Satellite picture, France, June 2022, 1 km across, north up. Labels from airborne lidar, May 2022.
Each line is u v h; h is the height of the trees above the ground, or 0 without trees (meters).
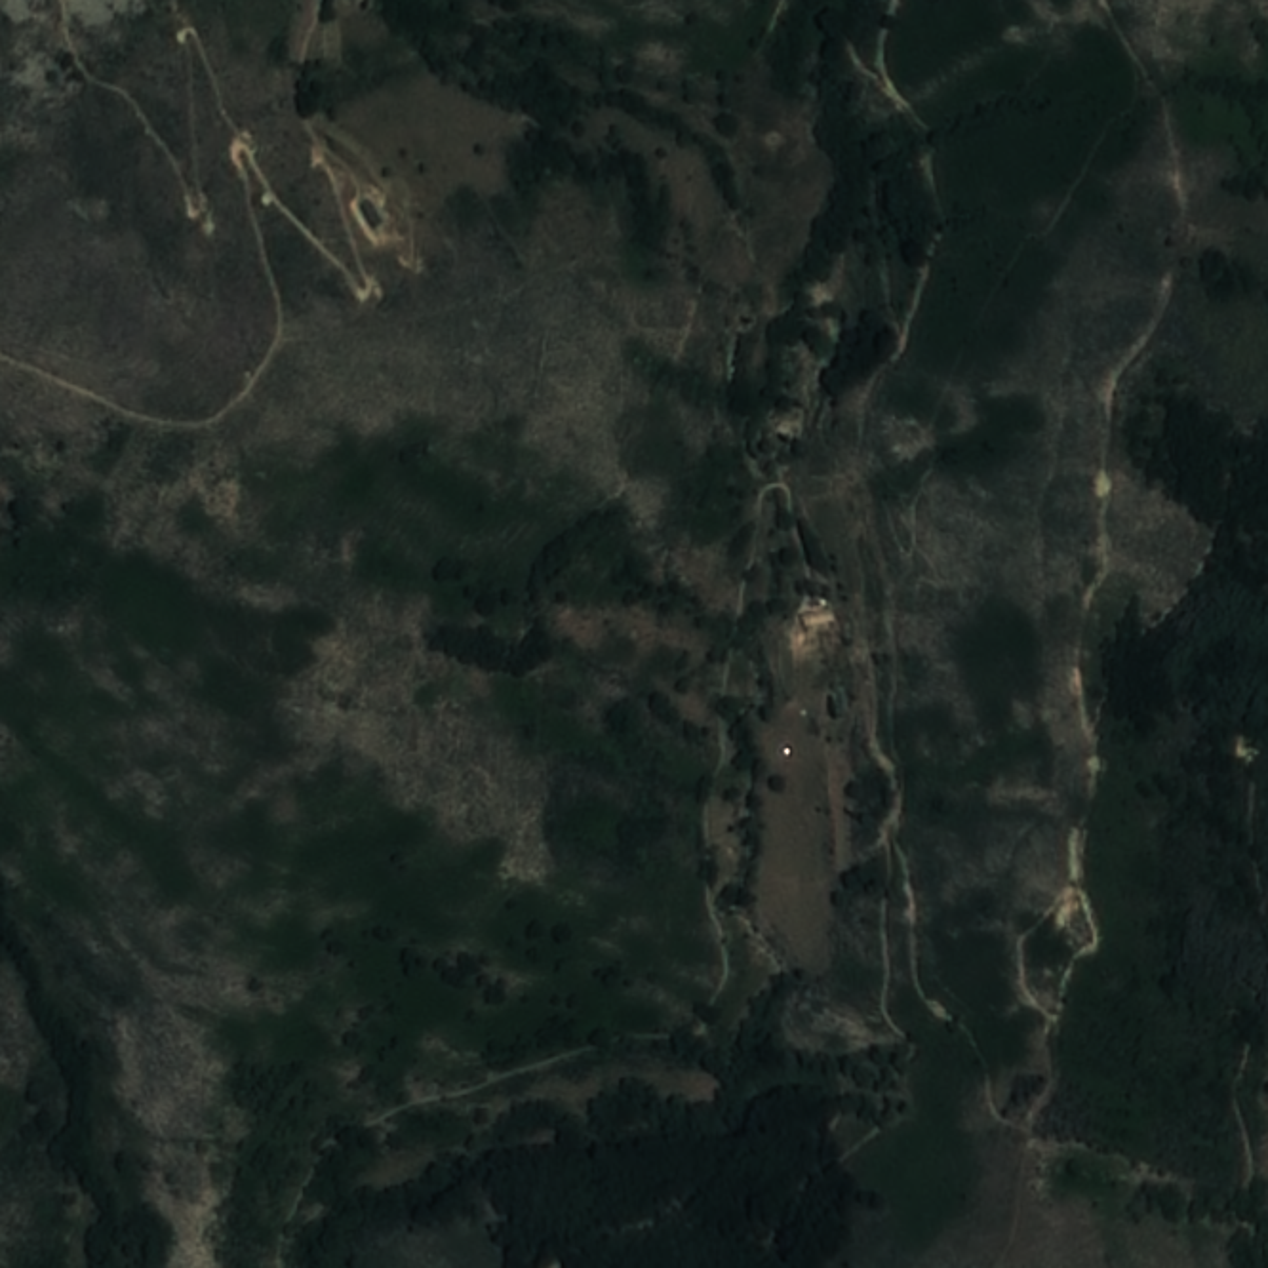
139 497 0
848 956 0
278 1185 9
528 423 0
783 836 0
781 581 6
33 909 0
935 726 0
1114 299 0
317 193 0
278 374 0
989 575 0
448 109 0
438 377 0
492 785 0
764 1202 24
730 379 9
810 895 0
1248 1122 6
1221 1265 0
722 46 0
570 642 7
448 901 0
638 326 0
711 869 14
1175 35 0
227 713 0
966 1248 0
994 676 0
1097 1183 0
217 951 0
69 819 0
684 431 0
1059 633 0
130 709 0
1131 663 16
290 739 0
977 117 8
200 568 0
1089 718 0
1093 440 0
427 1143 0
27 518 17
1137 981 8
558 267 0
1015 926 0
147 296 0
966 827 0
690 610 7
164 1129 0
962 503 0
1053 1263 0
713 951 0
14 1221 0
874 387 0
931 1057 0
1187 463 17
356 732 0
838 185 9
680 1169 20
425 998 0
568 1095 0
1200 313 0
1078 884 0
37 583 0
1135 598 7
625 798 0
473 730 0
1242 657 27
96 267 0
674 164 0
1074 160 0
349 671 0
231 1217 7
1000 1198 0
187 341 0
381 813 0
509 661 14
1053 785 0
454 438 0
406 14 8
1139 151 0
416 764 0
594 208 0
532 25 16
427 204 0
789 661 0
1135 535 0
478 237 0
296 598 0
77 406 0
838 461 0
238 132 0
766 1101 15
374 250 0
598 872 0
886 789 7
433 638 9
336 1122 7
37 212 0
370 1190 16
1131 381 0
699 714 0
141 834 0
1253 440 15
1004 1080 0
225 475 0
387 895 0
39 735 0
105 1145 0
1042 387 0
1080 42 0
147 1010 0
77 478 0
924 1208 0
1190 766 12
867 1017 0
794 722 0
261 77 0
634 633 0
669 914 0
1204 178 0
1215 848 7
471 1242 0
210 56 0
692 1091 0
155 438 0
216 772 0
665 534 0
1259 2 0
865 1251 0
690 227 8
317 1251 16
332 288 0
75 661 0
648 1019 0
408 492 0
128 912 0
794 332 17
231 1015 0
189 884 0
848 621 0
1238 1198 15
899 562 0
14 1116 0
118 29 0
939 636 0
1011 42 0
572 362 0
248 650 0
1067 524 0
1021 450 0
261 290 0
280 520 0
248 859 0
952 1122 0
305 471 0
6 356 0
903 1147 0
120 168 0
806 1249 18
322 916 0
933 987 0
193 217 0
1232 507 10
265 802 0
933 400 0
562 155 9
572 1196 14
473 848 0
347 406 0
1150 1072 6
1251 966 20
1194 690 19
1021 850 0
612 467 0
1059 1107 7
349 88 0
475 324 0
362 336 0
